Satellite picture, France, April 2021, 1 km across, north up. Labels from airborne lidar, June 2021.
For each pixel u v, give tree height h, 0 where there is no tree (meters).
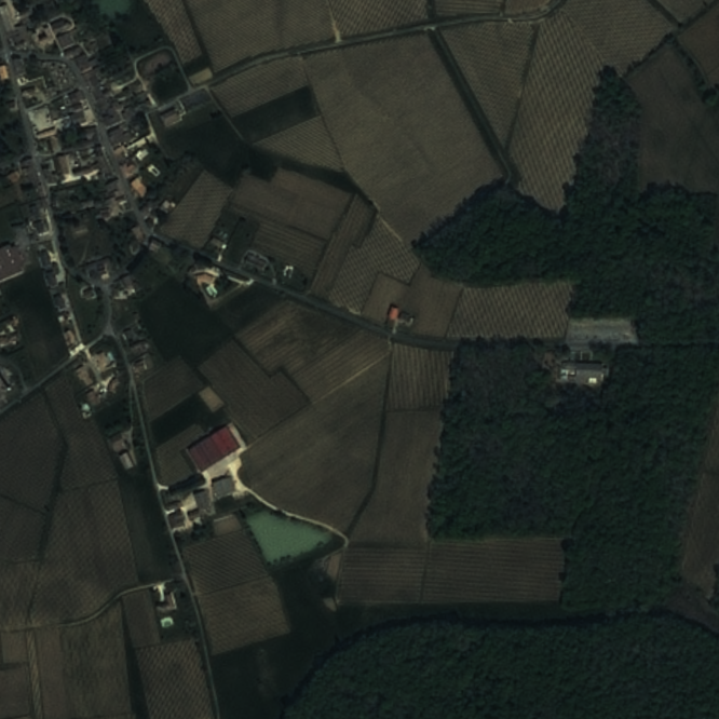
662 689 22
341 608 0
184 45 0
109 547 0
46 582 0
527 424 23
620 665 21
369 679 21
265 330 0
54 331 0
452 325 0
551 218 21
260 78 0
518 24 0
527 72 0
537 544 0
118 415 0
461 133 0
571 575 19
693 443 22
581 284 10
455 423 23
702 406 17
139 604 0
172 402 0
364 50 0
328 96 0
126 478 0
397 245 0
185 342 0
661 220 16
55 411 0
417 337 0
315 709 24
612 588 18
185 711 0
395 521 0
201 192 0
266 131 0
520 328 0
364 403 0
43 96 0
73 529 0
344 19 0
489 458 23
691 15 0
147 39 0
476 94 0
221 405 0
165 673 0
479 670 16
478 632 22
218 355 0
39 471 0
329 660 14
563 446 22
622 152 12
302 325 0
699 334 16
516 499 22
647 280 10
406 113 0
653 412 19
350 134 0
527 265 18
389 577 0
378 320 0
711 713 13
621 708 19
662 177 0
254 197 0
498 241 28
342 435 0
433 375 0
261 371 0
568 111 0
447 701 17
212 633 0
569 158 0
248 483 0
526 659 20
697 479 13
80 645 0
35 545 0
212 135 0
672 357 19
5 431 0
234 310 0
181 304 0
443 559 0
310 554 0
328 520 0
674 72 0
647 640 20
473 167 0
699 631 20
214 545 0
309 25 0
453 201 0
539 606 0
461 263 25
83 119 0
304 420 0
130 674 0
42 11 10
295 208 0
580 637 20
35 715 0
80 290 0
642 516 20
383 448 0
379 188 0
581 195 16
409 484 0
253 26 0
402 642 16
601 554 18
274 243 0
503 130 0
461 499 24
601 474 18
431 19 0
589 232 23
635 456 16
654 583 18
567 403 23
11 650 0
